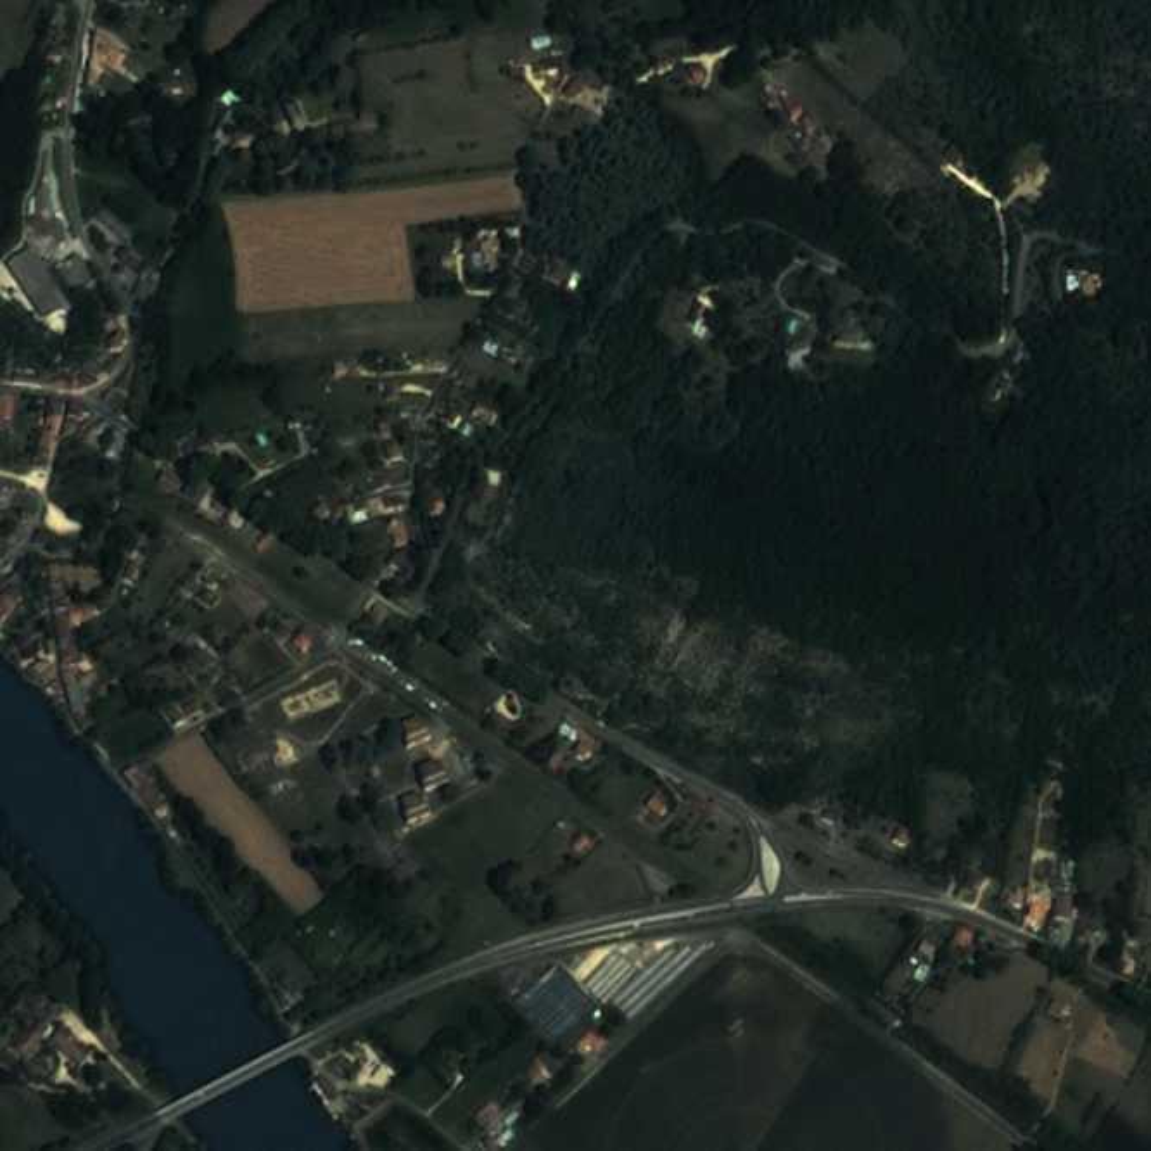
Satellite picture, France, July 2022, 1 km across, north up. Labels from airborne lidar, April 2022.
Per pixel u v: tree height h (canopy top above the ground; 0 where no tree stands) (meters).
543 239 22
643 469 7
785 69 0
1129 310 14
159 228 0
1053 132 15
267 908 12
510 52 0
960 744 9
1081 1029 0
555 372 10
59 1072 0
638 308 10
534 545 0
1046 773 14
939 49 7
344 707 0
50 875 0
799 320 0
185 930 0
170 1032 0
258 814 0
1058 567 16
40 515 0
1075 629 12
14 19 0
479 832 0
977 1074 8
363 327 0
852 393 8
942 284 14
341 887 10
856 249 6
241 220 0
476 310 0
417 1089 0
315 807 0
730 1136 0
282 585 0
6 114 21
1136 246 16
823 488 20
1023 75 10
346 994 8
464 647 26
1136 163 14
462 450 8
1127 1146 0
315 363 0
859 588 14
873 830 0
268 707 0
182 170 23
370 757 14
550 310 6
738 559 13
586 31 15
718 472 14
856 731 0
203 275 0
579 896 0
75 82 0
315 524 12
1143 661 7
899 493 21
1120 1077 0
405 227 0
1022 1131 8
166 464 26
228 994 0
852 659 10
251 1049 0
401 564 0
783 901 0
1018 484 17
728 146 0
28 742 0
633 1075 0
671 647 0
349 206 0
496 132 0
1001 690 8
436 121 0
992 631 10
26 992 12
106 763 0
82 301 12
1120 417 18
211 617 0
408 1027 0
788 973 0
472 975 0
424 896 0
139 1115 0
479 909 0
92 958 18
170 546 0
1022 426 13
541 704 24
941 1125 0
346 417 0
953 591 20
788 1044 0
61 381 0
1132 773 14
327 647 0
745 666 0
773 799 16
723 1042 0
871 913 0
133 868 0
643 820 0
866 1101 0
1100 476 20
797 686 10
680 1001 0
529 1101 8
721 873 0
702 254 12
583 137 19
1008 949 0
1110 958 12
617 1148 0
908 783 7
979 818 9
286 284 0
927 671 9
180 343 0
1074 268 13
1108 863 0
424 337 0
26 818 0
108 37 0
